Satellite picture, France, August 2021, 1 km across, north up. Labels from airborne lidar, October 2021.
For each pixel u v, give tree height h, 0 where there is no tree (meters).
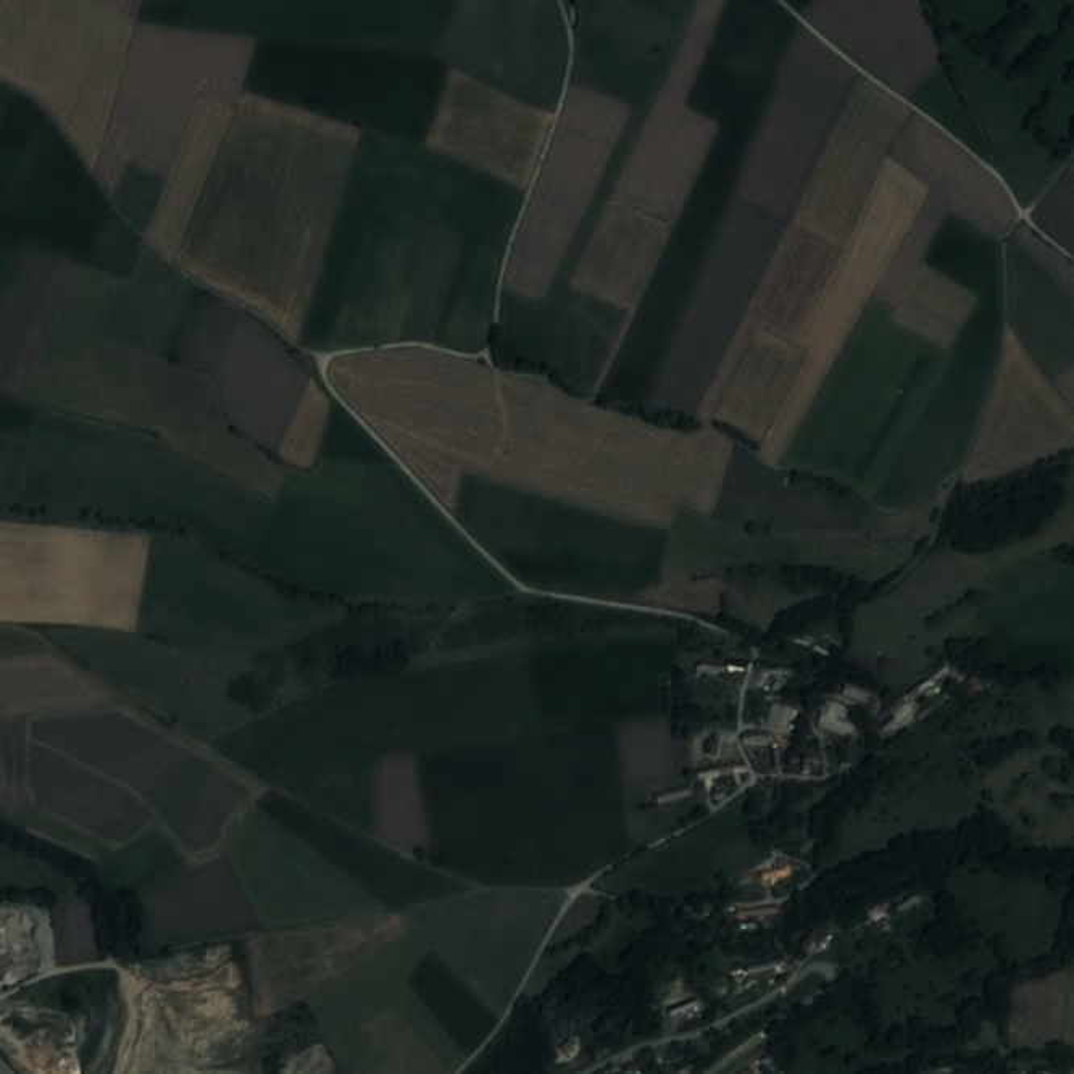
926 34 0
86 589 0
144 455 0
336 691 0
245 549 0
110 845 0
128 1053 0
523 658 0
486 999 0
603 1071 6
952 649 13
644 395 0
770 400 0
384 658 12
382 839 0
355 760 0
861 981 6
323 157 0
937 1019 0
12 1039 0
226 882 0
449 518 0
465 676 0
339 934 0
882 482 0
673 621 9
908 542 0
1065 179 0
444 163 0
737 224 0
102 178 0
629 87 0
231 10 0
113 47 0
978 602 13
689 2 0
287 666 0
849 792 21
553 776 0
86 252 0
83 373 0
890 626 0
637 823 0
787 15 0
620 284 0
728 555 0
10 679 0
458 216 0
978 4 0
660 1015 9
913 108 0
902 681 0
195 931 0
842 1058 11
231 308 0
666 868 0
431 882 0
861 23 0
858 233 0
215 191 0
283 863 0
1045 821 0
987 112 0
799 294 0
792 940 7
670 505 0
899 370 0
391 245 0
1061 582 0
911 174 0
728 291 0
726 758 0
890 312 0
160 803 0
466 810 0
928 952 12
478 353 0
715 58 0
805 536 0
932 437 0
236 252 0
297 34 0
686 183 0
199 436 0
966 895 0
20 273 0
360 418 0
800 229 0
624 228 0
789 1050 19
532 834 0
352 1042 0
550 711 0
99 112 0
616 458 0
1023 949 0
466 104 0
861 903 22
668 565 0
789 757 9
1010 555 0
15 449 0
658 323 0
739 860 0
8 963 0
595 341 0
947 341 0
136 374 0
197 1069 0
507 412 0
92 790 0
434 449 0
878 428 0
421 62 0
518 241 0
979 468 0
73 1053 0
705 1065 12
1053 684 12
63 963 0
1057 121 0
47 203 0
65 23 0
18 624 0
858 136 0
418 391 0
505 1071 14
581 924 0
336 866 0
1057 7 0
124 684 0
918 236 0
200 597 0
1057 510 18
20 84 0
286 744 0
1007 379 0
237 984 0
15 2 0
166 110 0
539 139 0
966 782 10
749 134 0
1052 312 0
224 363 0
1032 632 0
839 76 0
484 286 0
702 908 17
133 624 0
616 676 0
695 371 0
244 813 0
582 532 0
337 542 0
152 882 0
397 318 0
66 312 0
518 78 0
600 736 0
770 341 0
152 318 0
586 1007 29
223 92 0
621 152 0
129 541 0
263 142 0
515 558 0
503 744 0
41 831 0
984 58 17
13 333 0
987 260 0
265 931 0
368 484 0
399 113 0
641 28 0
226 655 0
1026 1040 0
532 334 0
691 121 0
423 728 0
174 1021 0
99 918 16
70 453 0
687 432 14
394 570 0
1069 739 21
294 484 0
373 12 0
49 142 0
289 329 0
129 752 0
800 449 0
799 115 0
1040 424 0
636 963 25
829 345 0
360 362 0
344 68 0
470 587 0
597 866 0
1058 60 0
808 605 12
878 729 8
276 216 0
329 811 0
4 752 0
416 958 0
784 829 19
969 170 0
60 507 0
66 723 0
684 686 17
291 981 0
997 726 8
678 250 0
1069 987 0
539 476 0
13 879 0
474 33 0
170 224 0
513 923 0
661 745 0
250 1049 0
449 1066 0
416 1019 0
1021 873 20
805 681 0
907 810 0
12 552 0
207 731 0
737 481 0
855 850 0
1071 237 0
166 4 0
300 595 12
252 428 0
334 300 0
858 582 12
